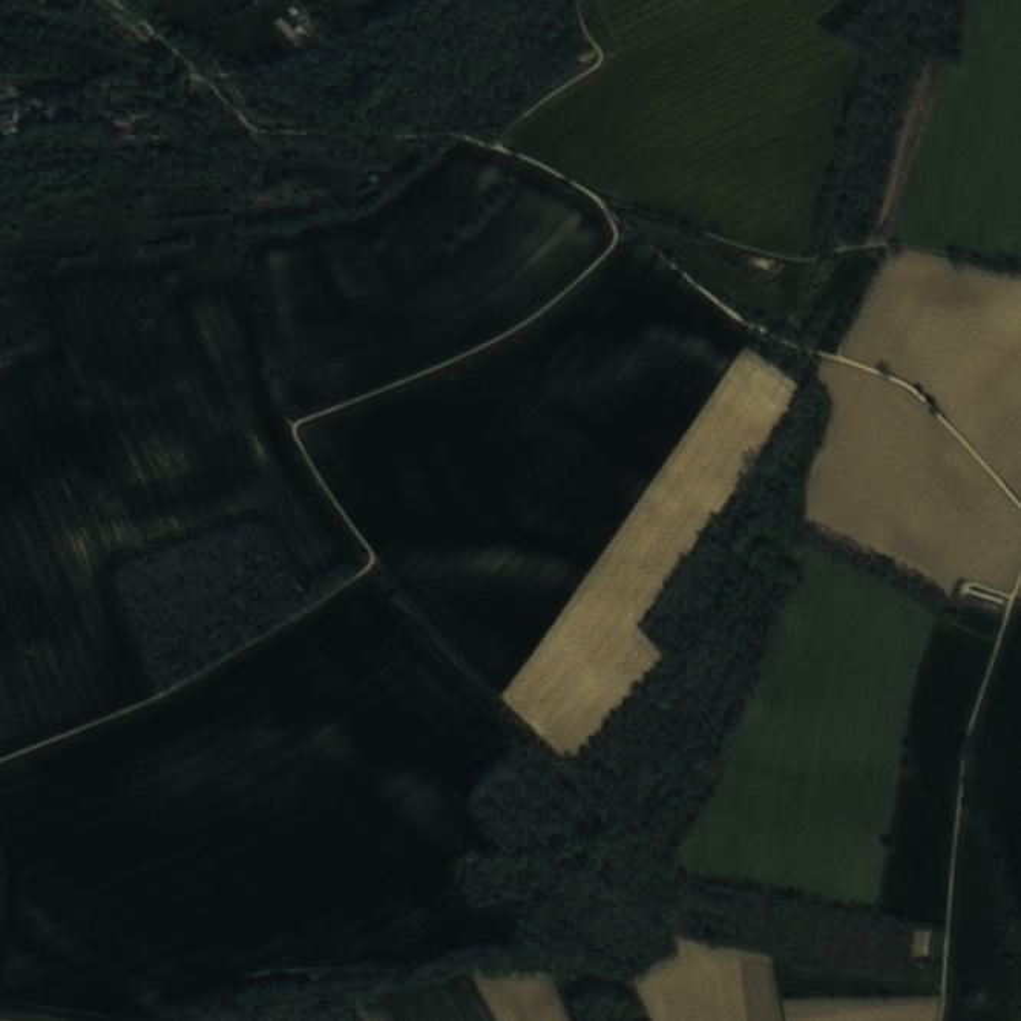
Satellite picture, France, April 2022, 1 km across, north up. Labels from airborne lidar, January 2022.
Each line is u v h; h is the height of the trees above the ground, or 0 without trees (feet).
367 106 99
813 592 0
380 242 47
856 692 0
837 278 0
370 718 0
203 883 0
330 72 92
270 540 86
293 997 85
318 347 0
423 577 0
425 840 0
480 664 0
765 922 45
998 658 0
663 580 0
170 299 0
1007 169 0
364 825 0
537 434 0
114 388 0
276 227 46
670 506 0
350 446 0
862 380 0
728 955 0
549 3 93
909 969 0
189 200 0
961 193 0
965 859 0
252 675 0
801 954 46
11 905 0
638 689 39
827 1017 0
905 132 47
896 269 0
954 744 0
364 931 0
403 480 0
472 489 0
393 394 0
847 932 42
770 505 77
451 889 0
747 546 62
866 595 0
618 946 96
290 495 0
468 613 0
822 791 0
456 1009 0
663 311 0
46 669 0
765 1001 0
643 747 78
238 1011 63
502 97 100
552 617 0
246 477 0
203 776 0
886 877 0
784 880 0
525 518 0
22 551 0
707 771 99
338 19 0
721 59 0
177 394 0
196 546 73
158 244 20
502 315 0
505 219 0
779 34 0
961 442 0
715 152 0
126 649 0
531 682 0
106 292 0
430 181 0
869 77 66
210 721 0
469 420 0
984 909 0
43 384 0
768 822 0
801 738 0
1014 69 0
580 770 55
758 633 100
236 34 0
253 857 0
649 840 94
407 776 0
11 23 56
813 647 0
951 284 0
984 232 0
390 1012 0
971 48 0
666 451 0
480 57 112
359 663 0
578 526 0
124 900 0
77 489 0
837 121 0
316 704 0
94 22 26
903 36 90
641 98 0
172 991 0
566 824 90
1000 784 0
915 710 0
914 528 0
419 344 0
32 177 24
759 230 0
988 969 0
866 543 0
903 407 0
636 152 0
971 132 0
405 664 0
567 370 0
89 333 0
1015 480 0
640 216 45
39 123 47
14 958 0
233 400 0
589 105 0
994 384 0
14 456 0
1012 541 0
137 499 0
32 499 0
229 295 0
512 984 0
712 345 0
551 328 0
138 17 56
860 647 0
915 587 83
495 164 0
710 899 54
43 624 0
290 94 88
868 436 0
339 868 0
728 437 0
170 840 0
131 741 0
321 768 0
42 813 0
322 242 0
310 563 0
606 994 102
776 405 0
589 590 0
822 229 51
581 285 0
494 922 0
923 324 0
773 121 0
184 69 61
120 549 0
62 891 0
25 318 0
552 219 0
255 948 0
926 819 0
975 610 0
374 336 0
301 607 68
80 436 0
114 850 0
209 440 0
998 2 0
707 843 0
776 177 0
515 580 0
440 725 0
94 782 0
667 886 81
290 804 0
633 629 0
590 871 91
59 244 0
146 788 0
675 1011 0
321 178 0
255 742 0
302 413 0
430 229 0
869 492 0
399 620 0
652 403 0
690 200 0
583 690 0
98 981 0
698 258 0
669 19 0
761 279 0
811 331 46
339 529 0
